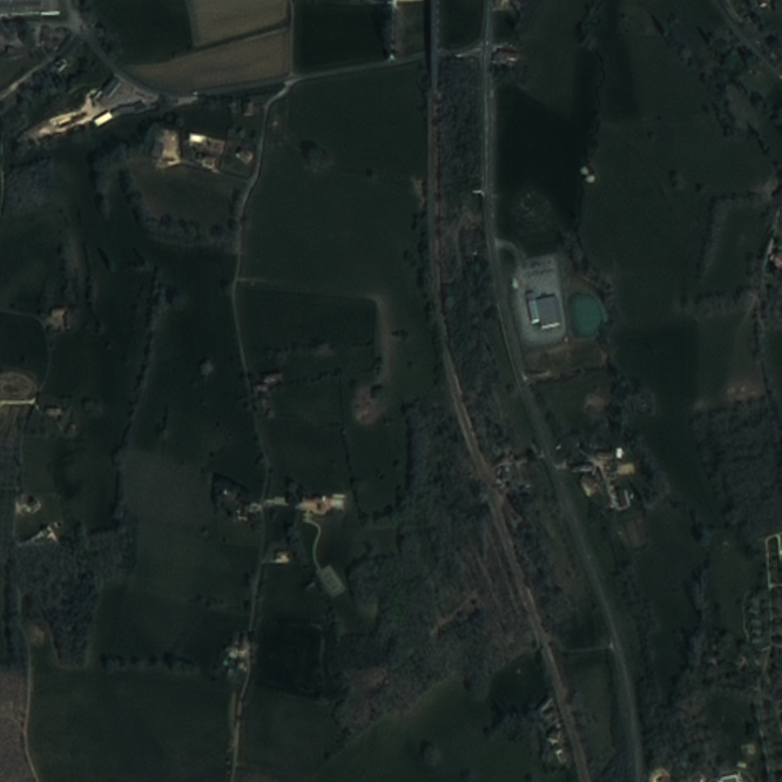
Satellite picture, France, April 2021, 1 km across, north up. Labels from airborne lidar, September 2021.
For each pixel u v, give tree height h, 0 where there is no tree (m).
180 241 20
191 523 0
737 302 15
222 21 0
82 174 0
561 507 18
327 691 0
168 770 0
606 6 0
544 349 0
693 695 23
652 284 0
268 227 0
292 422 0
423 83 9
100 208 17
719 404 0
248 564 0
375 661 9
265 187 0
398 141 0
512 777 0
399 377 0
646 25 0
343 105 0
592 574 0
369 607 21
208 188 0
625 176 0
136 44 0
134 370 0
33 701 0
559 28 0
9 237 0
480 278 25
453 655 18
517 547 12
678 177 14
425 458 22
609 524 14
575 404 0
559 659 8
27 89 16
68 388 0
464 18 0
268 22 0
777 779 11
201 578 0
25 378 0
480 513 13
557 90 0
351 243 0
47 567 20
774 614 10
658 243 0
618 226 0
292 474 0
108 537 17
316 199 0
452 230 20
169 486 0
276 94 0
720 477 10
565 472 0
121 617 0
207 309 0
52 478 0
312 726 0
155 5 0
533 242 0
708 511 0
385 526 13
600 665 0
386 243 0
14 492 9
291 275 0
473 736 0
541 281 0
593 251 0
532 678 0
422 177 0
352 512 0
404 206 0
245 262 0
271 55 0
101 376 0
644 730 18
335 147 0
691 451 0
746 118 0
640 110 0
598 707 0
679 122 0
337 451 0
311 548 0
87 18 22
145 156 7
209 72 0
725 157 0
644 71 0
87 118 0
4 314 0
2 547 16
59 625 21
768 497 13
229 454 0
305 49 0
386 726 0
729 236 0
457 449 25
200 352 0
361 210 0
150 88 0
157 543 0
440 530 11
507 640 21
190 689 0
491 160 0
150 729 0
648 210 0
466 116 8
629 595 10
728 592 0
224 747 0
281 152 0
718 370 0
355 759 0
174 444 0
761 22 16
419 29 0
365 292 0
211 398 0
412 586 20
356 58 0
